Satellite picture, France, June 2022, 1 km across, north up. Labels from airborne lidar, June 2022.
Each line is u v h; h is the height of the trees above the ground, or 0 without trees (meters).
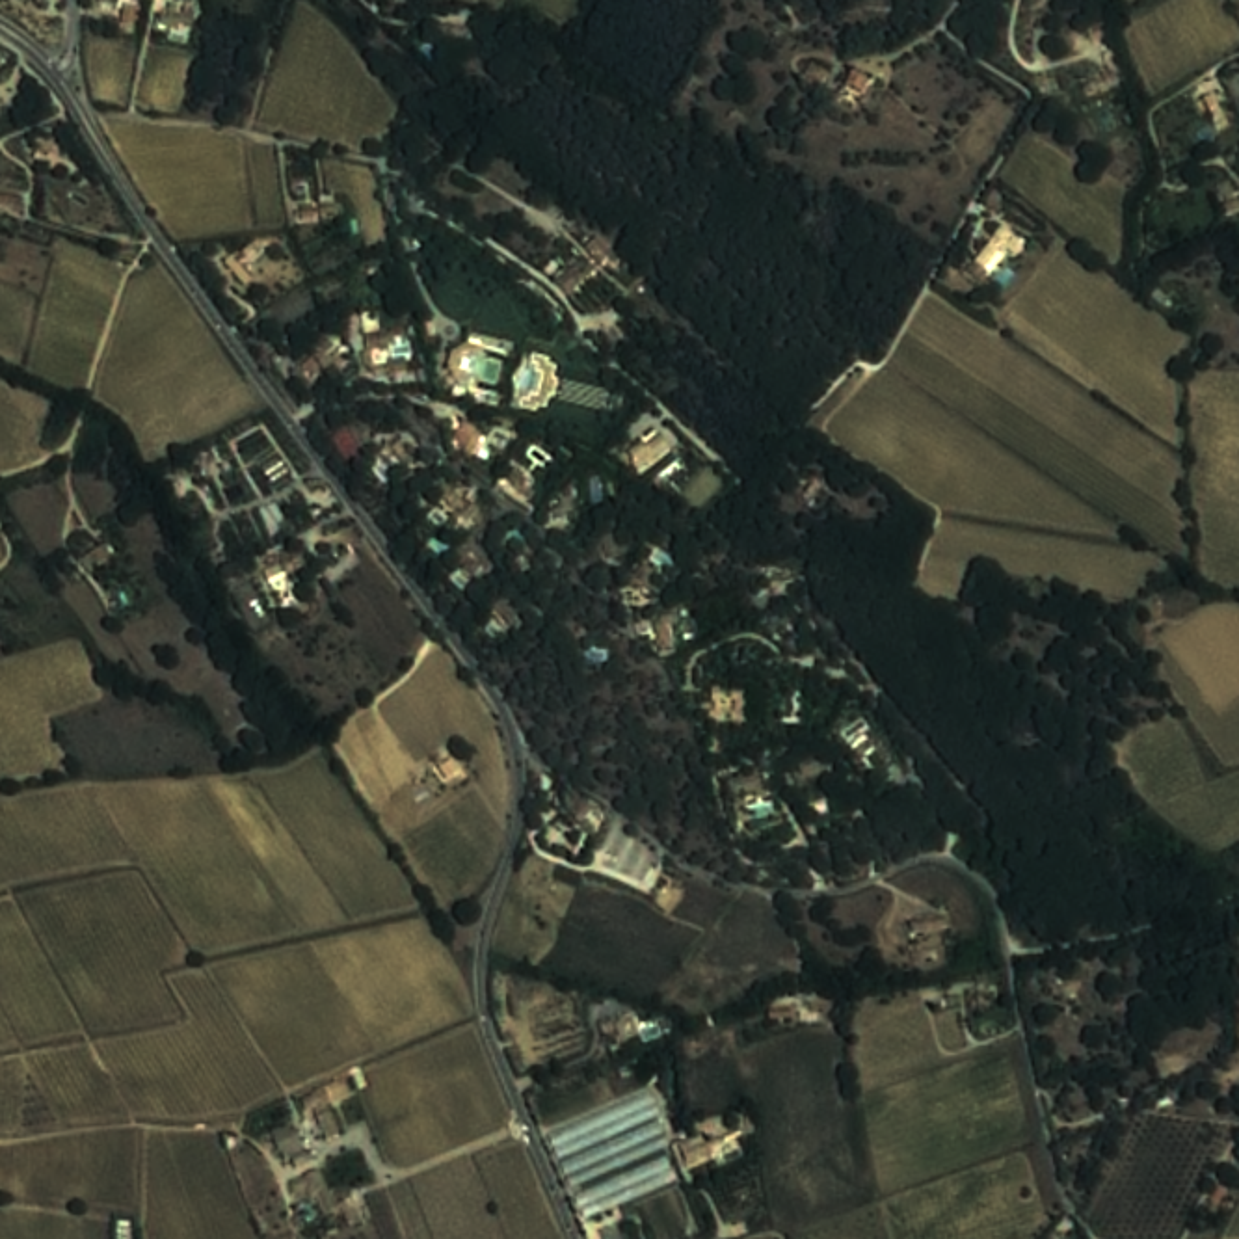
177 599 9
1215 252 9
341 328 13
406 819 0
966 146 0
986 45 10
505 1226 0
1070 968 10
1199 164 10
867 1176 0
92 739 0
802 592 5
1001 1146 0
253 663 12
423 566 12
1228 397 0
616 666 9
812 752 13
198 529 7
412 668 7
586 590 14
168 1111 0
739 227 12
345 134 0
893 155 7
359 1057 0
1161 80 0
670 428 13
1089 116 0
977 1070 0
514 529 8
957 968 7
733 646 10
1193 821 0
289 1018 0
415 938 0
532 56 13
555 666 6
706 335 11
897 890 0
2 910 0
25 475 5
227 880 0
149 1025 0
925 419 0
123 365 0
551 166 15
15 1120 0
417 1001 0
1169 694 8
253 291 11
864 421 0
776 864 9
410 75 7
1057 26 13
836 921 9
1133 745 0
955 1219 0
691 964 0
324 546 8
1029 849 15
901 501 12
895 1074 0
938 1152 0
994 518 0
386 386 11
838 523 14
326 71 0
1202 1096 14
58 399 11
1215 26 0
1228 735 0
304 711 12
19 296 0
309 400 11
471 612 9
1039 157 0
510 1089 0
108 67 0
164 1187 0
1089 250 14
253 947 0
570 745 8
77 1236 0
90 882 0
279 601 5
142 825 0
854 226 13
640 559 12
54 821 0
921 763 10
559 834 0
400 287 13
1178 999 12
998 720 14
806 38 8
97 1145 0
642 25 13
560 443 10
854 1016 12
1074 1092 8
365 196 0
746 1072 0
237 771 12
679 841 9
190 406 0
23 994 0
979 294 12
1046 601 11
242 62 14
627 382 13
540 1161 0
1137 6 7
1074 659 13
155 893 0
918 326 0
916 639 15
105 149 0
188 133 0
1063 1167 10
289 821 0
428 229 11
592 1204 0
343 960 0
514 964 7
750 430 8
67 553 7
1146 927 7
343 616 10
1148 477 0
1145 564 0
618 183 11
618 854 0
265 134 0
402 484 11
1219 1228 11
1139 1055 12
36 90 11
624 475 11
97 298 0
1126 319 0
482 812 0
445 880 0
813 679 8
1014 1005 13
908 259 14
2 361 11
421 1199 0
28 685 0
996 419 0
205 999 0
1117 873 7
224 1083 0
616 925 0
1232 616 0
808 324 11
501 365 0
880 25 10
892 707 12
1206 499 0
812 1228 0
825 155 0
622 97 11
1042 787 14
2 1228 0
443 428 7
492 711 0
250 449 8
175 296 0
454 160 13
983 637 12
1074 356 0
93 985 0
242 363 0
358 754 0
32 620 0
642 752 10
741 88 16
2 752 0
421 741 0
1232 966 11
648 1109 0
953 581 0
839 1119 0
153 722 0
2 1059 0
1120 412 6
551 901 0
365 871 0
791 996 9
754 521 10
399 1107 0
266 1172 0
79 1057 0
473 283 8
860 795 11
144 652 0
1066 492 0
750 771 10
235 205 0
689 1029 16
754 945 0
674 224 10
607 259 0
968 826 13
